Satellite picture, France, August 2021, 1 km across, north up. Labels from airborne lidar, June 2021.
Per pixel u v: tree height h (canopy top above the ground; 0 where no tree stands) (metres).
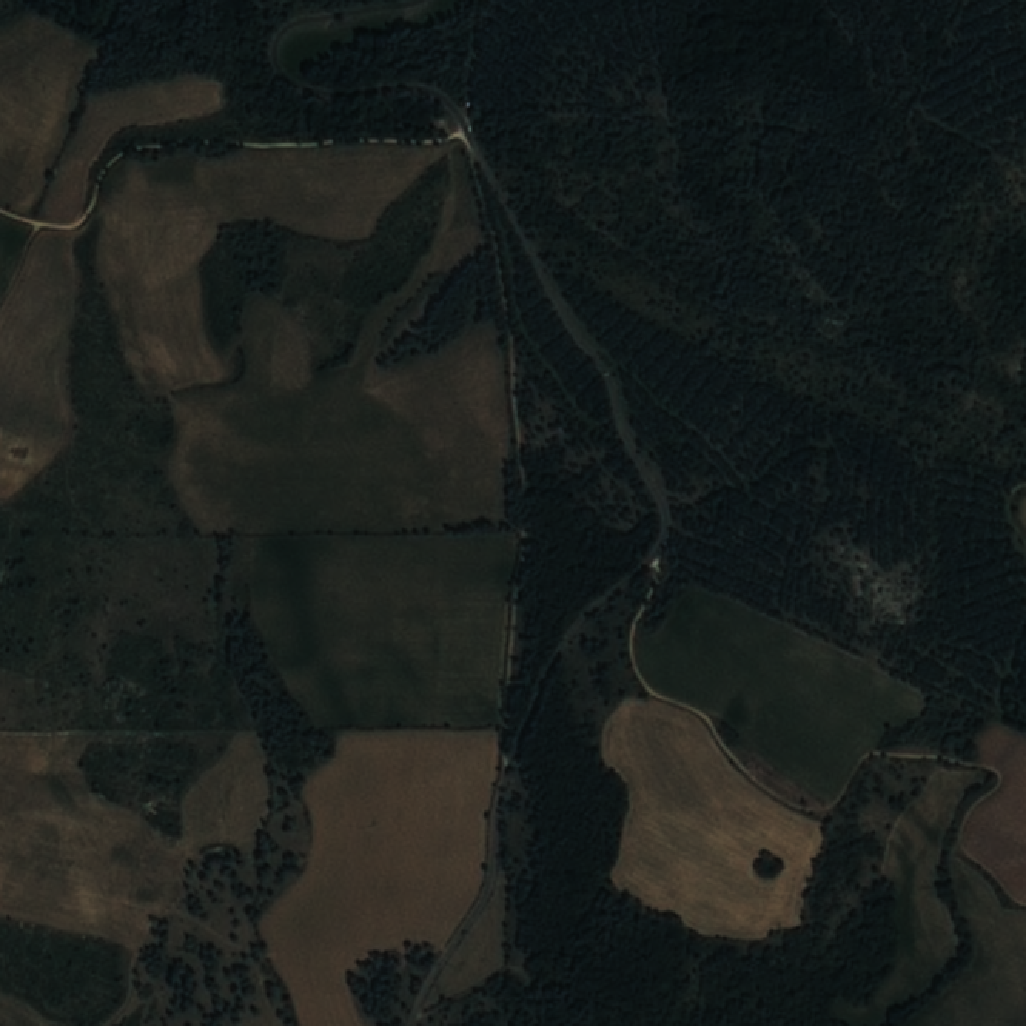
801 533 8
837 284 10
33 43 0
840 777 0
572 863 17
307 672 0
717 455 10
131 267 0
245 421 0
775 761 0
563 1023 12
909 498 6
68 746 0
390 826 0
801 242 11
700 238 6
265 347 0
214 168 0
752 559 7
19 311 0
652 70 8
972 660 13
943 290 9
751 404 9
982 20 8
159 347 0
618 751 0
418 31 13
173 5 16
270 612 0
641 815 0
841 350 7
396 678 0
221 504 0
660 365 11
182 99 0
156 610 0
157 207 0
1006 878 0
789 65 10
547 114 7
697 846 0
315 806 0
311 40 0
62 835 0
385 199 0
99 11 17
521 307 12
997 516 11
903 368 12
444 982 0
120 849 0
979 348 11
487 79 11
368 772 0
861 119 12
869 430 10
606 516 7
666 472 9
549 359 12
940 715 6
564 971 13
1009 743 0
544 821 12
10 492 0
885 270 11
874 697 0
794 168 13
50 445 0
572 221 8
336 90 9
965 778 0
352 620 0
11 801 0
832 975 10
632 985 15
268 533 0
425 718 0
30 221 0
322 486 0
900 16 17
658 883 0
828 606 8
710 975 10
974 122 6
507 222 11
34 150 0
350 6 14
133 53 19
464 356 0
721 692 0
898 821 0
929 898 0
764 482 10
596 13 12
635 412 11
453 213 0
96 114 0
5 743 0
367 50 11
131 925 0
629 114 11
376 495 0
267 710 10
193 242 0
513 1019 10
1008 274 7
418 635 0
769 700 0
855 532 6
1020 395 7
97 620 0
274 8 10
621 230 6
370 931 0
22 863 0
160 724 7
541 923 14
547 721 15
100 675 0
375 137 7
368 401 0
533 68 9
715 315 6
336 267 0
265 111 10
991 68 7
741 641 0
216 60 12
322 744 9
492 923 0
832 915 7
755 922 0
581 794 10
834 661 0
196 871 9
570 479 8
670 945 16
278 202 0
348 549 0
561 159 7
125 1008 0
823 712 0
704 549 9
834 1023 15
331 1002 0
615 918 11
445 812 0
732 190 11
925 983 0
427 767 0
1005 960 0
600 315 10
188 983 15
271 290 13
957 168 7
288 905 0
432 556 0
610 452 8
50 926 0
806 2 11
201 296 0
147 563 0
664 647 0
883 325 6
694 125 6
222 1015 11
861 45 14
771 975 14
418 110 12
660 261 8
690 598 0
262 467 0
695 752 0
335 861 0
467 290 14
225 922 0
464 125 0
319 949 0
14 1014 0
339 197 0
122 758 9
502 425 0
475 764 0
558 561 17
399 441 0
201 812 0
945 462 12
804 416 10
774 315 13
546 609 14
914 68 9
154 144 7
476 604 0
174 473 0
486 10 11
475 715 0
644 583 10
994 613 13
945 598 11
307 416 0
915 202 9
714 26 16
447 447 0
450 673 0
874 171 7
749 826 0
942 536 12
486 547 0
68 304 0
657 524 12
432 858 0
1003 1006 0
